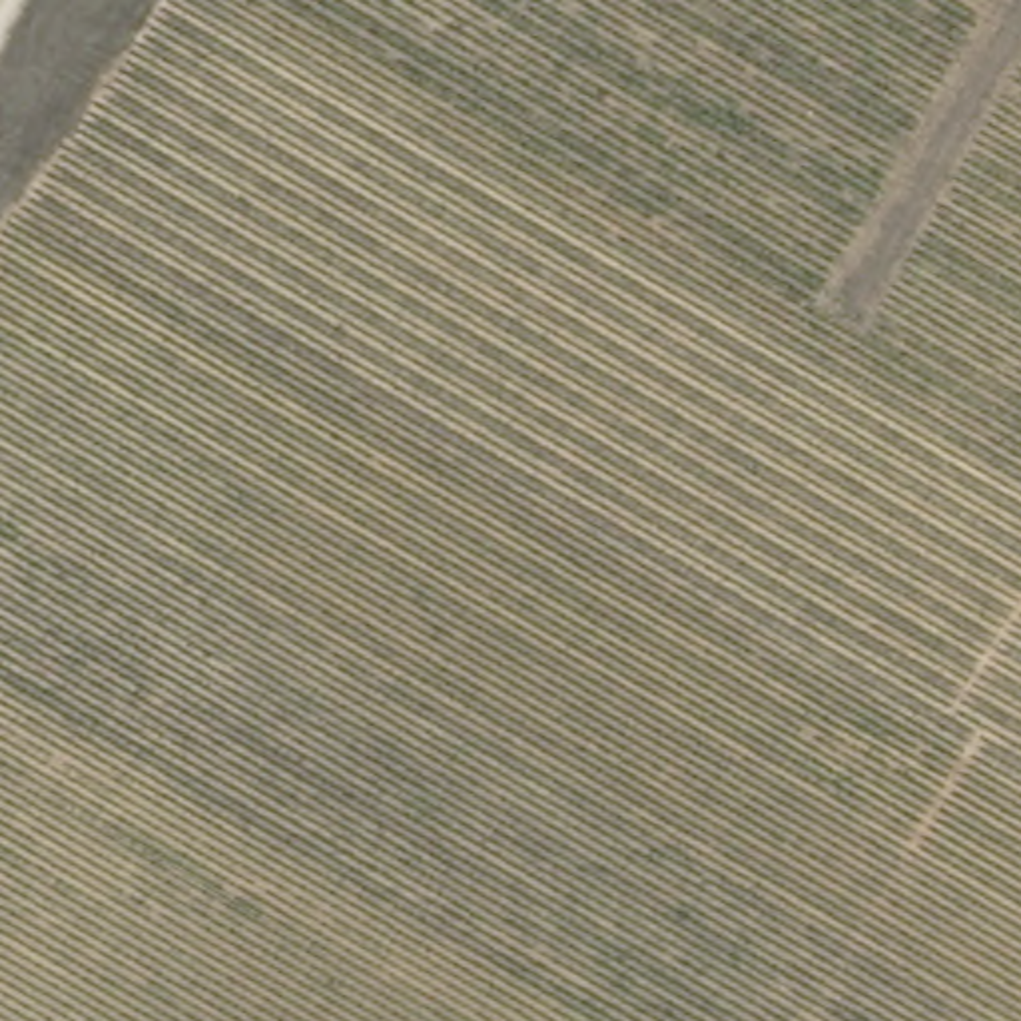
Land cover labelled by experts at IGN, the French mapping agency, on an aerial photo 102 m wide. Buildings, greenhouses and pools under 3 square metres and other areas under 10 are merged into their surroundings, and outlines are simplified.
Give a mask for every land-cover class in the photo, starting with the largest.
<instances>
[{"label":"vineyard","instance_id":"1","mask_svg":"<svg viewBox=\"0 0 1021 1021\"><path fill-rule=\"evenodd\" d=\"M0 1021H1021V0H156L148 20L132 32L128 48L100 72L88 104L76 116V128L36 164L24 191L0 207Z\"/></svg>","mask_w":1021,"mask_h":1021},{"label":"herbaceous vegetation","instance_id":"2","mask_svg":"<svg viewBox=\"0 0 1021 1021\"><path fill-rule=\"evenodd\" d=\"M156 0H0V207L24 191L36 164L76 128V116L88 104L100 72L128 48L132 32L148 20Z\"/></svg>","mask_w":1021,"mask_h":1021}]
</instances>
